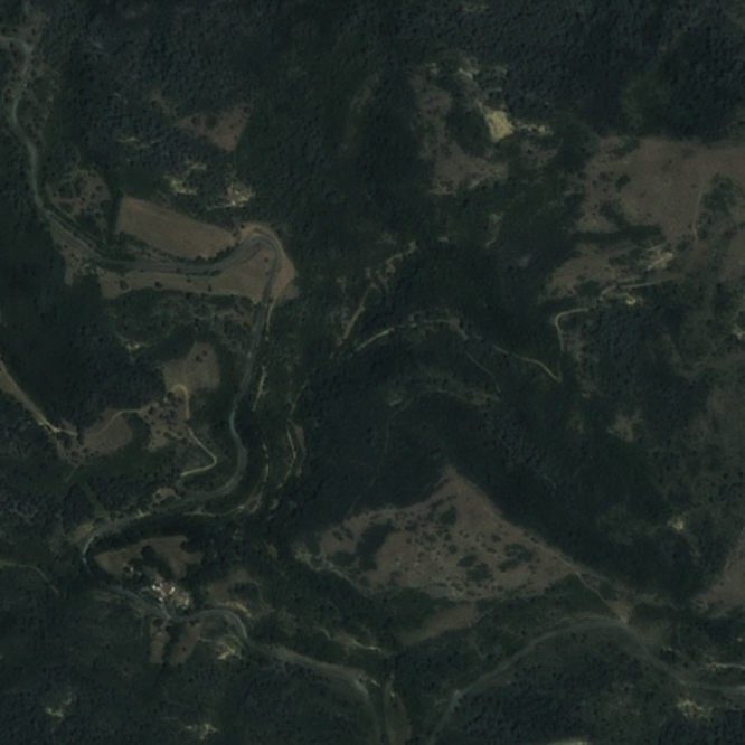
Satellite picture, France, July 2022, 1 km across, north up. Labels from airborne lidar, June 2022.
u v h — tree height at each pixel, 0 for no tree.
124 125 10
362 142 7
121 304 6
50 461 8
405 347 7
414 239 7
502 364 6
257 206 7
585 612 0
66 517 16
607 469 7
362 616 11
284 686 5
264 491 6
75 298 9
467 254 8
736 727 13
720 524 0
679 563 8
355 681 0
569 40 10
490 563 0
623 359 9
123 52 6
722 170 0
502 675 0
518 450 16
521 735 9
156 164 7
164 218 0
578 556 7
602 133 8
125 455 0
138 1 8
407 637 0
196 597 10
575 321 10
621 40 14
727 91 8
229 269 0
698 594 0
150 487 16
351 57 9
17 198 15
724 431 0
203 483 13
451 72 9
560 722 7
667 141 0
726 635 7
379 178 13
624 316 12
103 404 8
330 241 9
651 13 10
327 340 6
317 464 8
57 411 12
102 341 10
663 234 0
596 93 7
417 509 0
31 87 10
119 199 8
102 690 13
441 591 0
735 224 0
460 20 7
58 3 6
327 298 6
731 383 0
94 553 18
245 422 16
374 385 7
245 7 5
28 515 7
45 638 12
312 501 7
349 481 9
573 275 0
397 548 0
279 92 13
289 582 6
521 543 0
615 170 0
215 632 0
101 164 8
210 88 10
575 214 0
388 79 7
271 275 0
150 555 16
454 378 6
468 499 0
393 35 12
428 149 0
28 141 0
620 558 9
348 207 12
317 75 12
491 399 8
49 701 6
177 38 12
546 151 0
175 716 6
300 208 10
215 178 7
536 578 0
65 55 9
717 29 8
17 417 11
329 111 6
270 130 14
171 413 7
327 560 0
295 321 7
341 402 6
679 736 10
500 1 9
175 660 0
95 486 14
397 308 8
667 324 0
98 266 8
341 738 10
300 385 9
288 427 8
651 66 15
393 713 0
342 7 9
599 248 0
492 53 7
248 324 9
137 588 8
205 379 0
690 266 0
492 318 6
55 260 11
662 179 0
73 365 8
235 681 9
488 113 0
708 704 0
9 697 8
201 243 0
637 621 0
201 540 12
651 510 8
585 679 6
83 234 6
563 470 7
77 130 7
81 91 6
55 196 7
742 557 0
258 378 10
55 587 6
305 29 10
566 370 7
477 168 0
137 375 9
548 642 0
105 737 8
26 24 8
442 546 0
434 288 8
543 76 7
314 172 11
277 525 21
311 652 11
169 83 11
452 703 0
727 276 0
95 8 10
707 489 0
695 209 0
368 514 0
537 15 14
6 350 8
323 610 11
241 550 13
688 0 7
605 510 7
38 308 15
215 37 8
